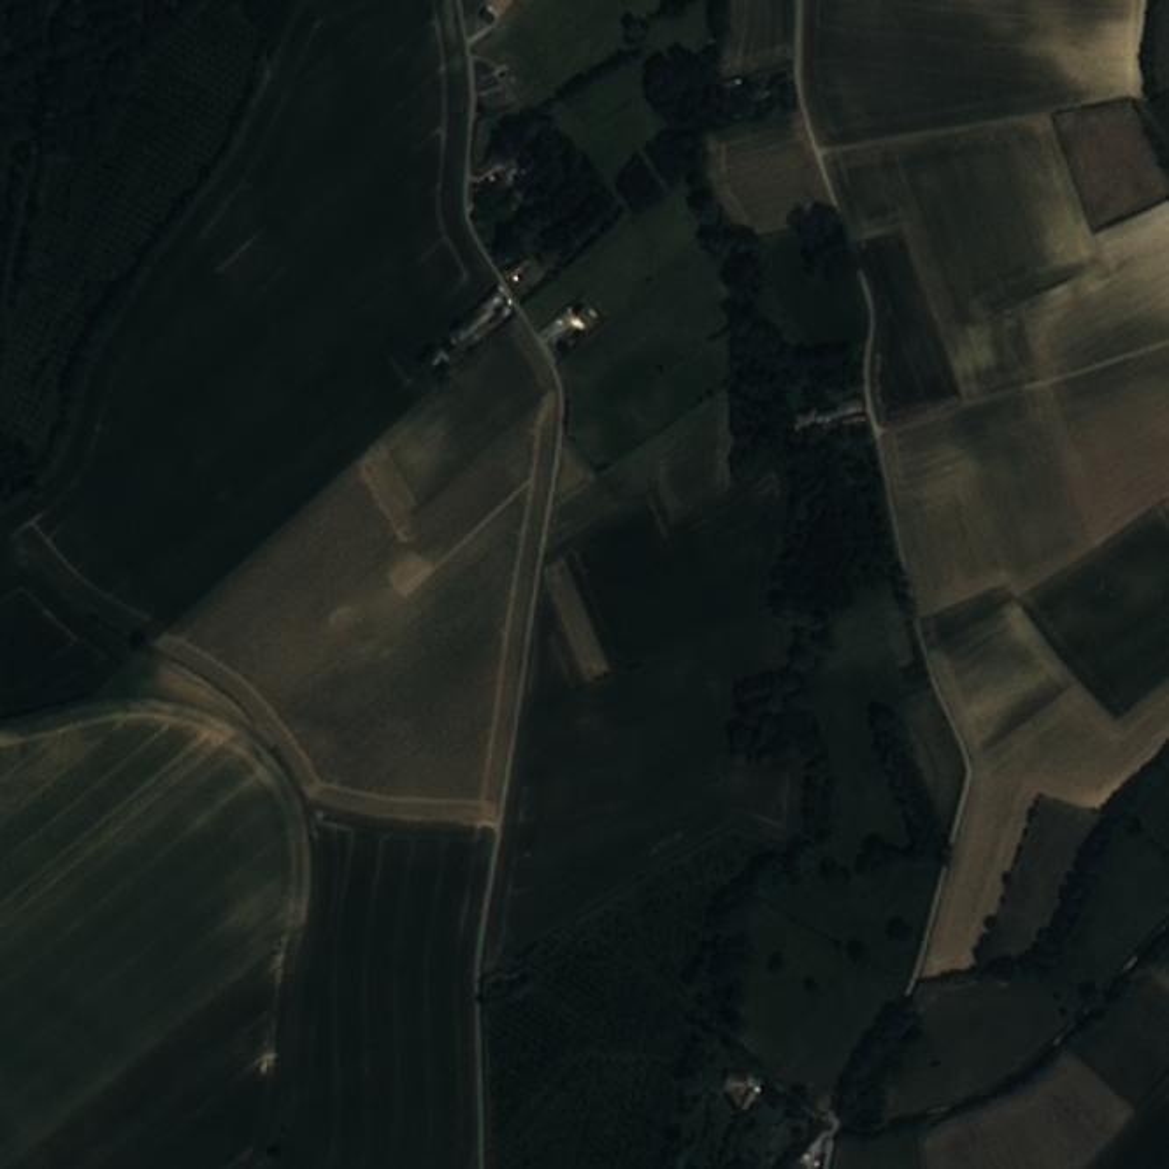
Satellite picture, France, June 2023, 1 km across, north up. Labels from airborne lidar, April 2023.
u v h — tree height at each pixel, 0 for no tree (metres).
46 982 0
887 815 0
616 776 0
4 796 0
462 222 0
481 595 0
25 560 0
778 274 0
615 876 0
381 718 0
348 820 0
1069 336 0
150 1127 0
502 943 0
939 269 0
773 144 0
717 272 0
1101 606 0
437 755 0
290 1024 0
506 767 0
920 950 0
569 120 0
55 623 0
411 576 0
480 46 0
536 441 0
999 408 0
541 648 0
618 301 0
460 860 0
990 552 0
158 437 0
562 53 0
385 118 0
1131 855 0
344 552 0
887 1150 0
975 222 0
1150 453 0
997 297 0
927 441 0
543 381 0
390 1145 0
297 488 0
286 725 0
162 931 0
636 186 32
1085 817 0
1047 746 0
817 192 0
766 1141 0
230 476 0
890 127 0
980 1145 0
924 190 0
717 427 0
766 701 22
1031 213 0
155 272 0
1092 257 0
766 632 0
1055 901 0
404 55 0
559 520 0
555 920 0
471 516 0
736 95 10
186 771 0
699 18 0
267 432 0
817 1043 0
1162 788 0
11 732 0
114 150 0
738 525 0
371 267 0
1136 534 0
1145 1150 0
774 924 0
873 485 26
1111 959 0
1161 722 0
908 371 0
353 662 0
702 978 20
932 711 0
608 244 0
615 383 0
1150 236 0
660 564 0
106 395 0
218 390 0
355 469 0
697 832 0
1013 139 0
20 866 0
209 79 0
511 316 7
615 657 0
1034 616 0
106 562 0
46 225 0
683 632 0
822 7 0
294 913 0
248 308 0
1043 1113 0
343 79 0
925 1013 0
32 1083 0
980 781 0
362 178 0
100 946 0
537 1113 0
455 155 0
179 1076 0
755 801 0
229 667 0
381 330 0
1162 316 0
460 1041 0
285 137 0
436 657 0
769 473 0
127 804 0
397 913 0
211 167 7
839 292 0
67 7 31
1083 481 0
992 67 0
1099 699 0
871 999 0
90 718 0
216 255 0
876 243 0
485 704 0
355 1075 0
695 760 0
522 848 0
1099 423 0
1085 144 0
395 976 0
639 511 0
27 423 0
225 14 0
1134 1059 0
